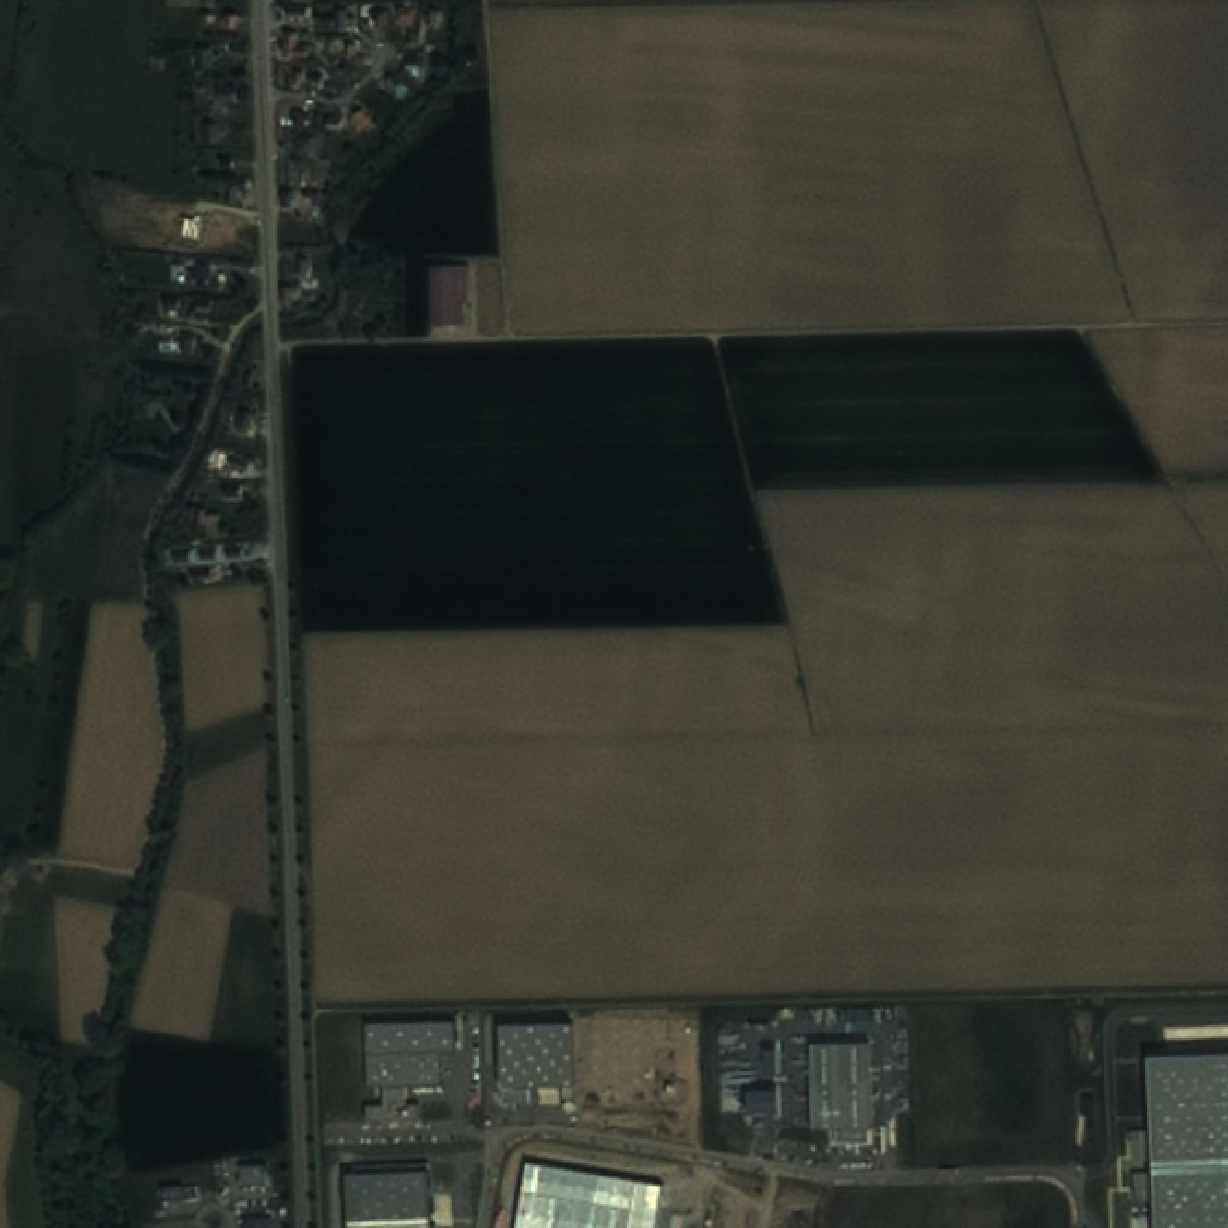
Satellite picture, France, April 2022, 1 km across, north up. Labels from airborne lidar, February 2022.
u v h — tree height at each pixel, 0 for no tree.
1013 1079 0
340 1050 0
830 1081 0
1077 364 0
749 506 0
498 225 0
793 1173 0
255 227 0
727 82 0
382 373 0
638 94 0
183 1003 0
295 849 0
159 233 0
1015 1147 0
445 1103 0
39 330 0
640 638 0
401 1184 0
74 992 0
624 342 0
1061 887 0
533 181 0
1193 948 0
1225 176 0
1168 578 0
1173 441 0
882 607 0
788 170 0
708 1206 0
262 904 0
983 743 0
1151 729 0
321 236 11
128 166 0
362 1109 0
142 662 0
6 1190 0
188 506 8
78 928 0
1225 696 0
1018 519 0
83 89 0
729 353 0
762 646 0
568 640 0
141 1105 0
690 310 0
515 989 0
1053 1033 0
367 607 0
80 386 0
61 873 0
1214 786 0
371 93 0
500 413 0
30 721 0
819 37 0
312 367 0
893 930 0
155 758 0
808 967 0
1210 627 0
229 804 0
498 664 0
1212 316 0
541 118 0
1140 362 0
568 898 0
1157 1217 0
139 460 11
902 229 0
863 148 0
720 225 0
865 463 0
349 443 0
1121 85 0
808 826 0
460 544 0
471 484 0
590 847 0
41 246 0
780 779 0
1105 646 0
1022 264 0
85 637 0
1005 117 0
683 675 0
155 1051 0
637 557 0
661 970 0
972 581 0
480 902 0
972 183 0
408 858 0
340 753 0
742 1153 0
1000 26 0
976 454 0
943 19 0
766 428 0
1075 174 0
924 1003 0
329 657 0
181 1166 0
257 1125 0
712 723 0
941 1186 0
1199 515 0
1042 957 0
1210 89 0
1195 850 0
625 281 0
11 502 0
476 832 0
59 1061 7
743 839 0
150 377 7
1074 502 0
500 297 0
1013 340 0
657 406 0
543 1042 0
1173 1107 0
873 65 0
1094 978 0
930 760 0
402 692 0
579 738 0
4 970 0
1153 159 0
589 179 0
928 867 0
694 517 0
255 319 0
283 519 0
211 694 0
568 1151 0
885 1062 0
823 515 0
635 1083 0
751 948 0
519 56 0
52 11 0
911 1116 0
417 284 0
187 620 0
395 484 0
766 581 0
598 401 0
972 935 0
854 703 0
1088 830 0
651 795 0
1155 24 0
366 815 0
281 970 0
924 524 0
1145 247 0
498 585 0
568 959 0
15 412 0
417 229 0
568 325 0
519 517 0
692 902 0
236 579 12
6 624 15
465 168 0
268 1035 0
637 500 0
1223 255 0
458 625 0
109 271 13
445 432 0
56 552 0
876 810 0
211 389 14
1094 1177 0
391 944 0
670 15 0
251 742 0
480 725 0
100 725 0
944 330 0
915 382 0
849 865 0
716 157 0
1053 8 0
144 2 0
